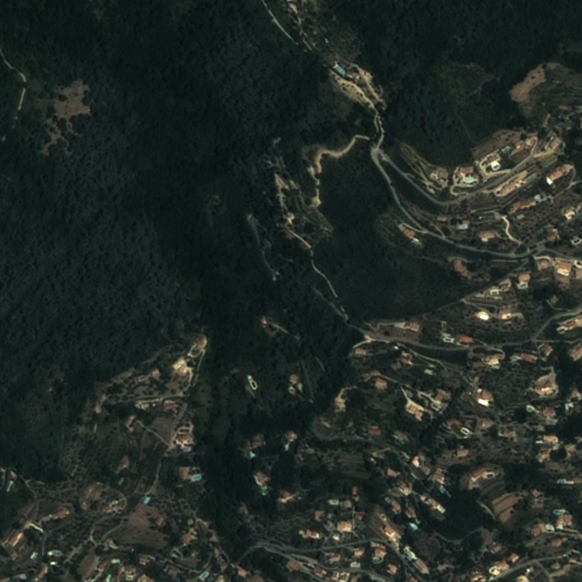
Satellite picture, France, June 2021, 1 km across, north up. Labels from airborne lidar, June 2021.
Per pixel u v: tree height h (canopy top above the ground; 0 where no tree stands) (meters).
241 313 9
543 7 14
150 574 11
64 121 12
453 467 13
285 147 14
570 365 15
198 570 6
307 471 15
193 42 13
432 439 12
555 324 7
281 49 16
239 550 8
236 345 11
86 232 7
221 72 15
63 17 14
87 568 0
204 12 9
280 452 13
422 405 12
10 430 5
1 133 13
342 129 13
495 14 11
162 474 11
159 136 17
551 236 0
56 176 24
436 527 12
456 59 12
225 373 7
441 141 13
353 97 0
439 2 17
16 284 14
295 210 9
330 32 7
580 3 11
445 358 8
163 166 10
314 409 13
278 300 14
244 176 13
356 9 16
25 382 16
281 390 13
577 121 9
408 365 5
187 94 16
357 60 11
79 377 18
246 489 15
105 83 17
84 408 19
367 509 7
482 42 10
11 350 11
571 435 14
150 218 16
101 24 11
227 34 18
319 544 13
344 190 6
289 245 12
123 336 15
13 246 11
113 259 25
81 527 5
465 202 7
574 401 12
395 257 16
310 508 8
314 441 11
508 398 0
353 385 17
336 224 6
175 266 13
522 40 11
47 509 0
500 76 15
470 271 10
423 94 20
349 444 7
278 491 11
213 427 14
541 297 13
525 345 7
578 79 0
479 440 6
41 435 5
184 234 24
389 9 18
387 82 11
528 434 7
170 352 6
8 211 13
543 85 0
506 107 12
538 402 7
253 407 13
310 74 16
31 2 11
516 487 12
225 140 13
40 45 9
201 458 17
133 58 22
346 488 11
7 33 14
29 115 10
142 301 24
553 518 10
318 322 20
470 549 11
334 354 16
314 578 6
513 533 10
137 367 17
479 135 11
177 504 6
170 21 6
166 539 7
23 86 9
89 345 16
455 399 9
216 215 13
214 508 6
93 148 19
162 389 7
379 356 8
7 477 6
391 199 7
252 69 21
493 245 7
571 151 12
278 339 13
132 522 0
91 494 0
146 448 6
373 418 7
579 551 11
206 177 7
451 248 10
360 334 10
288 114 12
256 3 6
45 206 13
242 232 13
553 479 7
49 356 21
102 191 21
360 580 10
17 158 12
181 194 15
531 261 10
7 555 7
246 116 23
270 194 11
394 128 14
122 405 7
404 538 11
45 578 7
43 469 13
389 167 6
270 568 16
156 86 15
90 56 17
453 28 12
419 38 18
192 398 12
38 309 9
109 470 14
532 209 9
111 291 12
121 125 11
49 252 16
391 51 6
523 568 7
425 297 6
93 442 8
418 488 15
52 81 16
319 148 0
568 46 9
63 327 21
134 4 19
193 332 13
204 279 17
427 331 12
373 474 8
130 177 20
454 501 12
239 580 16
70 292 22
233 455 23
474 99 7
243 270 16
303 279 18
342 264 9
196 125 12
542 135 10
